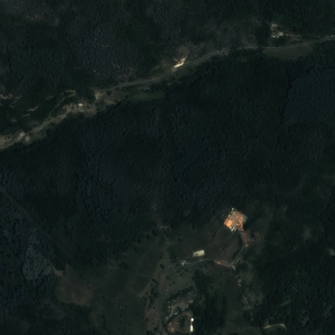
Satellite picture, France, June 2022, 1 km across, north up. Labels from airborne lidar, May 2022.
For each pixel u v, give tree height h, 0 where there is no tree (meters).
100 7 12
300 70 17
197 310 11
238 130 8
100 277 0
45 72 19
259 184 17
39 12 11
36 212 18
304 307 9
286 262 20
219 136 15
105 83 9
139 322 0
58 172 22
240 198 11
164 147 21
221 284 7
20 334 10
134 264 0
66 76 31
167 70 0
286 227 10
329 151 23
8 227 23
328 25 18
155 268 0
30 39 13
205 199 16
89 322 9
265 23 17
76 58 13
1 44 10
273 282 14
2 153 16
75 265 7
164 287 0
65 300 0
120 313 0
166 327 9
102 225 23
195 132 13
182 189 18
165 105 21
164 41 11
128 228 10
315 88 43
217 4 15
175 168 22
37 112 15
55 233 21
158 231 19
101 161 20
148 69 12
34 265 20
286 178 14
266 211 0
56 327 13
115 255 9
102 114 21
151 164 23
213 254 0
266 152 12
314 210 21
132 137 25
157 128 21
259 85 24
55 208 27
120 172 18
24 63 30
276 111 22
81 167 27
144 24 16
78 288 0
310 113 43
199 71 10
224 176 13
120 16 15
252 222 11
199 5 8
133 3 14
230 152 18
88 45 10
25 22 13
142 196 7
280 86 25
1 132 14
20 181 21
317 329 13
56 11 8
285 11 18
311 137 18
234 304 0
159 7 14
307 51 0
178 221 8
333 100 41
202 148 20
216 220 0
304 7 16
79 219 40
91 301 0
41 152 23
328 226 24
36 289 8
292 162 9
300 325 15
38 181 23
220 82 13
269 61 23
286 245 12
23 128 8
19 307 13
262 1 15
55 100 18
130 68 17
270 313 20
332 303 16
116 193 28
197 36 10
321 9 18
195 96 24
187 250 0
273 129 13
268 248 9
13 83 15
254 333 0
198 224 10
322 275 25
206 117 16
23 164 21
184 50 0
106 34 15
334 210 28
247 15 9
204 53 8
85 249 21
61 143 20
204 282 10
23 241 17
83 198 37
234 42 7
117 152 21
